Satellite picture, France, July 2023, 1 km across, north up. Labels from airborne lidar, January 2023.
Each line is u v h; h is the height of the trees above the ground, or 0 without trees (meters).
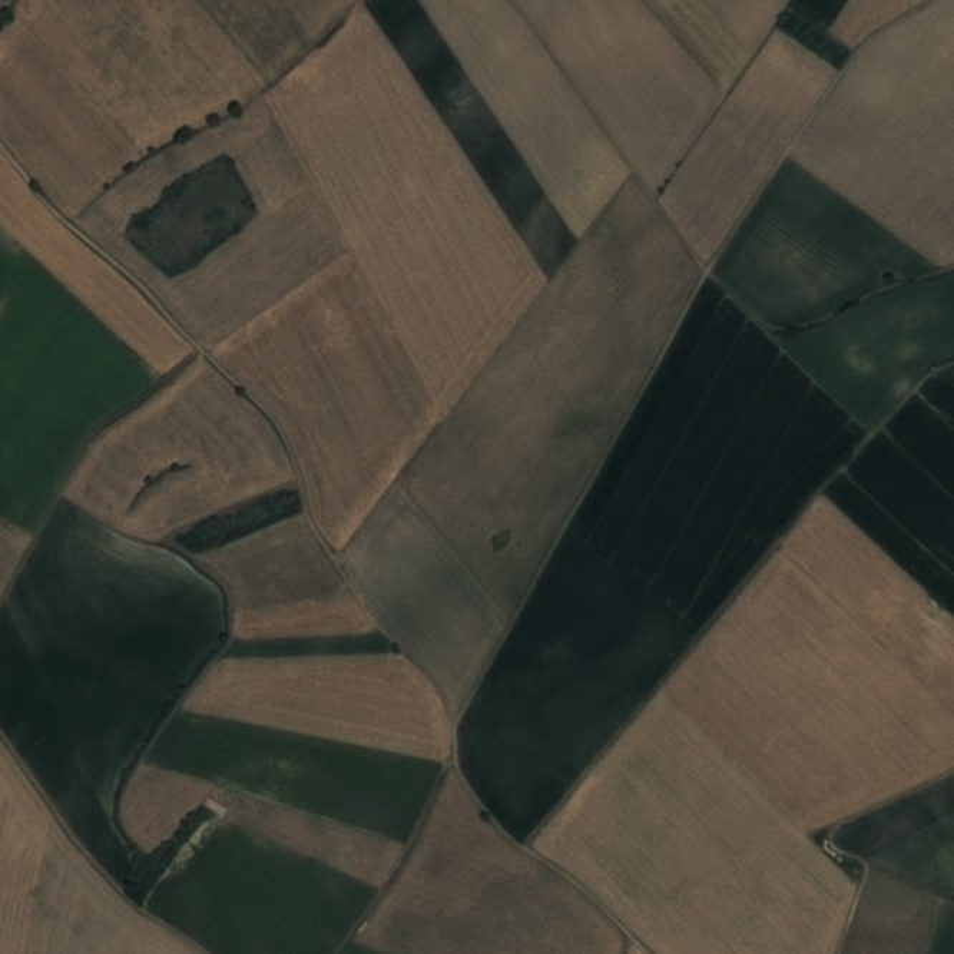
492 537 0
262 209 0
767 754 0
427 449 0
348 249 0
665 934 0
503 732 0
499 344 0
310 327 0
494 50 0
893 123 0
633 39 0
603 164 0
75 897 0
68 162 0
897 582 0
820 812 0
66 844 0
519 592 0
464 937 0
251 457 0
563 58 0
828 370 0
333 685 0
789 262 0
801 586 0
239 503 0
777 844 0
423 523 0
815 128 0
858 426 0
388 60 0
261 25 0
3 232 0
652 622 0
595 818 0
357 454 0
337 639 0
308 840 0
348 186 0
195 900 0
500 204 0
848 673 0
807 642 0
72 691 0
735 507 0
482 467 0
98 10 0
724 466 0
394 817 0
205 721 0
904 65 0
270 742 0
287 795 0
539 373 0
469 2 0
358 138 0
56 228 0
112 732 0
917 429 0
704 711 0
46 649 0
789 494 0
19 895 0
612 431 0
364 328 0
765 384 0
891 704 0
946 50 0
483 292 0
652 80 0
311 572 0
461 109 0
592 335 0
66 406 0
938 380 0
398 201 0
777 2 0
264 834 0
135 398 0
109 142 0
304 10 0
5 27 7
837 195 0
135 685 0
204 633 0
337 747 0
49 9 0
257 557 0
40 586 0
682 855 0
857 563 0
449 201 0
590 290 0
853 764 0
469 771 0
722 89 0
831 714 0
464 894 0
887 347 0
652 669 0
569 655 0
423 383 0
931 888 0
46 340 0
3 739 0
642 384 0
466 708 0
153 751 0
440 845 0
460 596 0
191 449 0
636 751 0
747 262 0
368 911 0
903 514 0
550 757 0
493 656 0
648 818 0
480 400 0
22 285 0
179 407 0
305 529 0
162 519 0
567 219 0
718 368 0
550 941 0
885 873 0
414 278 0
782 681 0
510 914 0
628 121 0
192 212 0
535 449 0
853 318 0
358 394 0
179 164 0
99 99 0
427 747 0
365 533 0
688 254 0
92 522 0
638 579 0
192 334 0
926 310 0
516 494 0
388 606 0
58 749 0
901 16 0
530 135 0
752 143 0
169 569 0
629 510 0
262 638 0
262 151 0
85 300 0
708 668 0
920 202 0
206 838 0
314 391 0
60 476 0
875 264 0
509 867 0
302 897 0
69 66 0
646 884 0
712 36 0
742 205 0
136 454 0
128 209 0
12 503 0
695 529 0
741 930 0
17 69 0
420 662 0
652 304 0
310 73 0
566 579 0
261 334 0
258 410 0
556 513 0
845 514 0
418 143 0
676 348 0
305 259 0
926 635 0
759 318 0
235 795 0
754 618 0
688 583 0
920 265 0
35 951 0
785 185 0
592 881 0
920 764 0
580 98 0
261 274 0
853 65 0
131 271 0
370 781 0
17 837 0
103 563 0
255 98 0
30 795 0
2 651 0
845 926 0
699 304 0
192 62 0
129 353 0
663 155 0
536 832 0
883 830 0
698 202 0
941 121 0
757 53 0
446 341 0
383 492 0
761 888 0
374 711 0
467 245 0
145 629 0
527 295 0
